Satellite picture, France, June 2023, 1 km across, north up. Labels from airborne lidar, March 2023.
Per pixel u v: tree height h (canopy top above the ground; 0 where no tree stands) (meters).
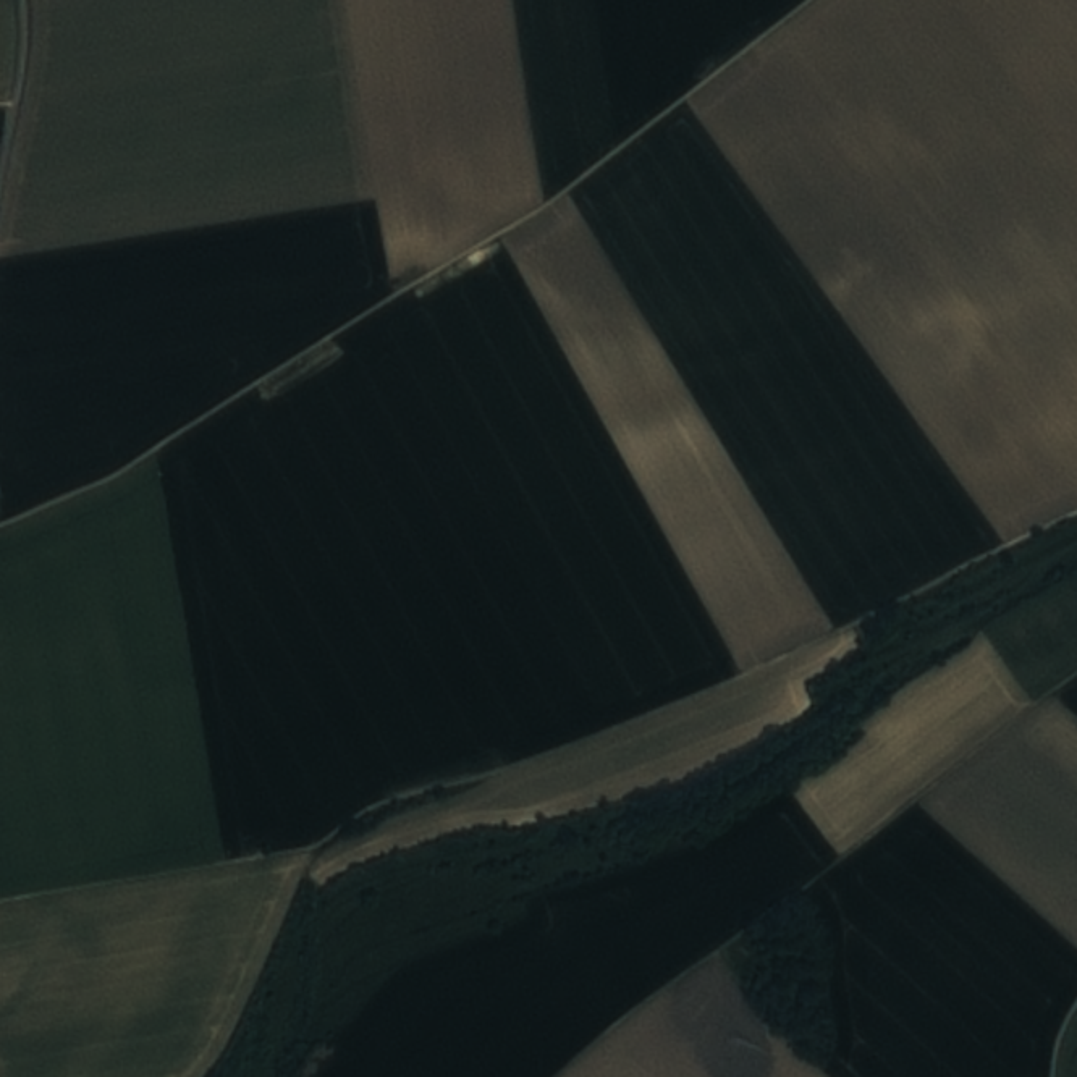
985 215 0
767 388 0
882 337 0
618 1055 0
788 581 0
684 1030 0
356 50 0
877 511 0
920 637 0
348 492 0
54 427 0
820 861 0
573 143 0
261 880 0
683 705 0
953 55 0
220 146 0
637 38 0
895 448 0
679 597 0
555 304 0
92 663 0
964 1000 0
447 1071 0
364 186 0
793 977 18
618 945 0
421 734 0
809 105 0
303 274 0
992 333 0
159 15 0
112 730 0
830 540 0
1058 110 0
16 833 0
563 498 0
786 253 0
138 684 0
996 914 0
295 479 0
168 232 0
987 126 0
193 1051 0
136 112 0
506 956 0
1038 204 0
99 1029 0
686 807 22
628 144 0
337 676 0
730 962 0
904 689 0
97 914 0
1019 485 0
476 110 0
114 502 0
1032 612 0
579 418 0
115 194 0
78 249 0
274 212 0
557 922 0
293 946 0
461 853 0
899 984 0
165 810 0
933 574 0
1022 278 0
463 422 0
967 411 0
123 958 0
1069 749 0
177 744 0
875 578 0
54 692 0
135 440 0
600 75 0
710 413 0
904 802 0
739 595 0
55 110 0
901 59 0
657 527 0
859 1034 0
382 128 0
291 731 0
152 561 0
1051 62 0
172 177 0
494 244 0
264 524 0
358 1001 0
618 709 0
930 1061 0
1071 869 0
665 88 0
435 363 0
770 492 0
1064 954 0
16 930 0
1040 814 0
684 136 0
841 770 0
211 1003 0
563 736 0
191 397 0
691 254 0
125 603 0
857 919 0
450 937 0
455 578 0
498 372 0
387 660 0
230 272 0
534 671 0
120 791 0
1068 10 0
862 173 0
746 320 0
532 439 0
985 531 0
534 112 0
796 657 0
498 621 0
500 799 0
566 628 0
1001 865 0
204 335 0
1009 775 0
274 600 0
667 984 0
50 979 0
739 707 0
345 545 0
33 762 0
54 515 0
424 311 0
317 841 0
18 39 0
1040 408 0
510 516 0
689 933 0
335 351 0
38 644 0
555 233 0
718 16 0
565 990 0
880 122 0
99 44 0
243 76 0
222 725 0
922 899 0
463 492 0
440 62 0
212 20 0
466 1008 0
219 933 0
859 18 0
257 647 0
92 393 0
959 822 0
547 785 0
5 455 0
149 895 0
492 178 0
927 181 0
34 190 0
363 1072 0
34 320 0
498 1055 0
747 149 0
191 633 0
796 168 0
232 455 0
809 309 0
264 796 0
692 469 0
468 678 0
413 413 0
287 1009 0
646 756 0
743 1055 0
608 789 0
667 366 0
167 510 0
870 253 0
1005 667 0
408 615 0
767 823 0
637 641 0
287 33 0
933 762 0
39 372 0
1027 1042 0
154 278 0
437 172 0
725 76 0
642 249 0
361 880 0
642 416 0
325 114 0
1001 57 0
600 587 0
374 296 0
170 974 0
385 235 0
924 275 0
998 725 0
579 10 0
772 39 0
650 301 0
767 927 16
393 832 0
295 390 0
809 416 0
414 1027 0
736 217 0
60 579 0
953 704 0
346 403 0
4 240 0
